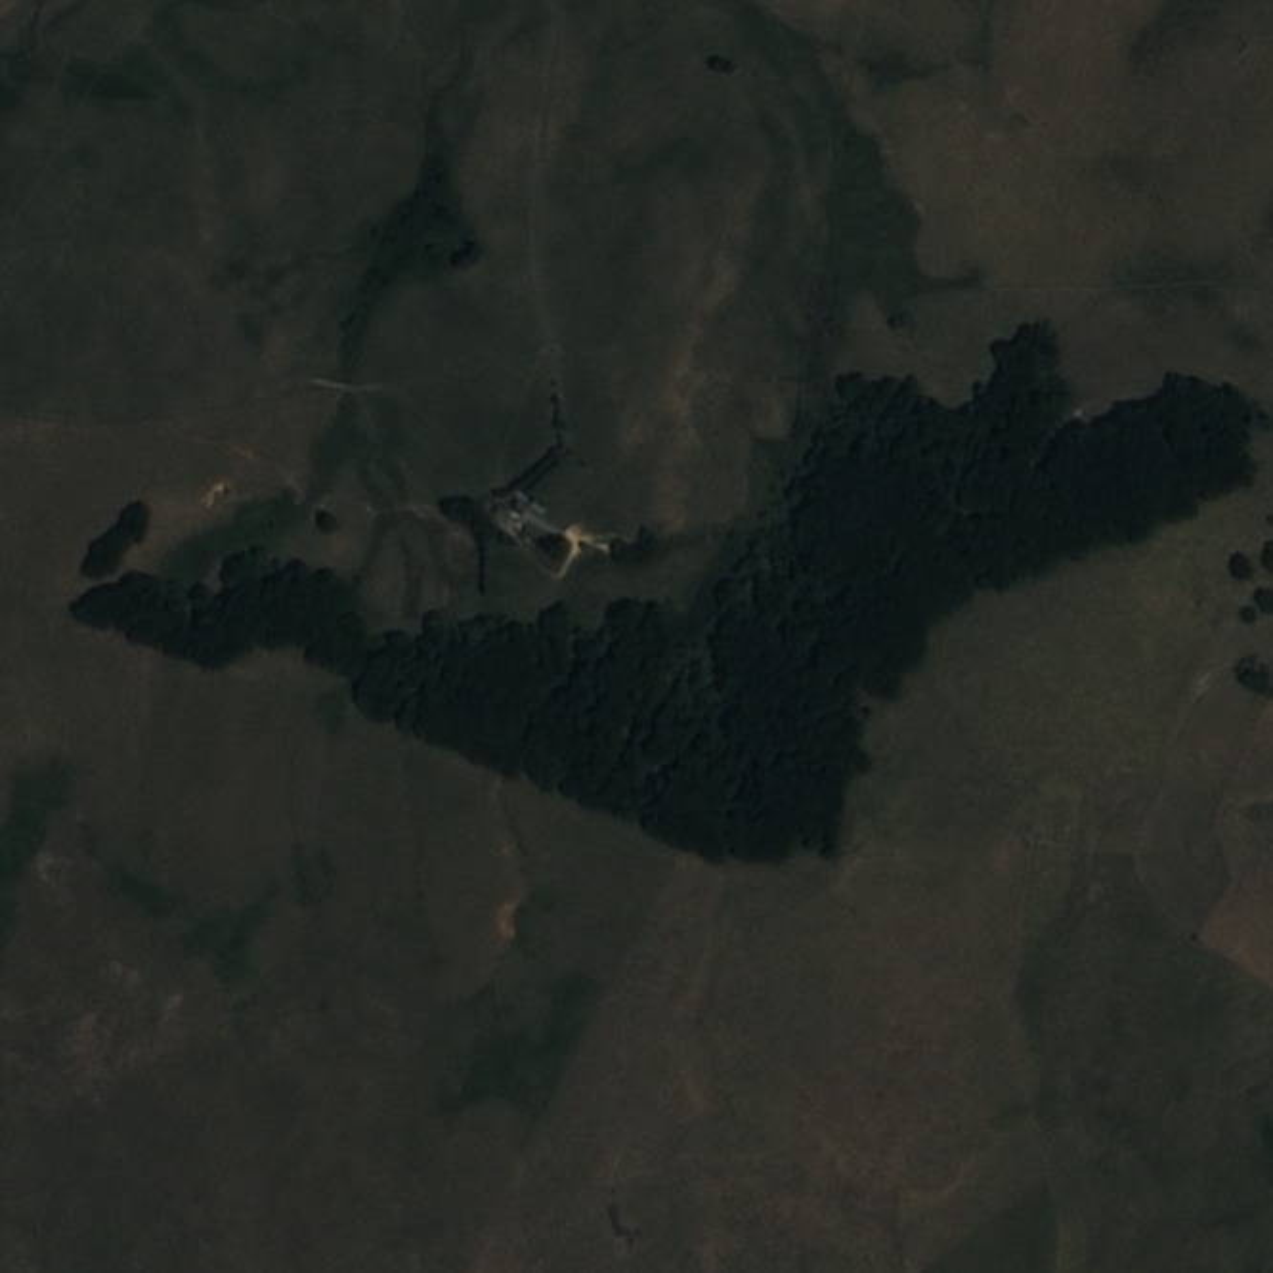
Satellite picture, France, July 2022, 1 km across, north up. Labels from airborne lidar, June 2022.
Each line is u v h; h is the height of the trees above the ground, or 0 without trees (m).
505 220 0
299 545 0
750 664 21
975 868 0
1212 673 0
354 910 0
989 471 18
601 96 0
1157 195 0
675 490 0
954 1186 0
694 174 0
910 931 0
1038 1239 0
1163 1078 0
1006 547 19
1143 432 21
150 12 0
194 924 0
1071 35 0
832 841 11
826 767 19
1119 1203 0
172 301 0
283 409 0
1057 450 20
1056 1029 0
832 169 0
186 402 0
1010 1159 0
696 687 13
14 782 0
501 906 0
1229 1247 0
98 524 0
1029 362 22
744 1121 0
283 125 0
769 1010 0
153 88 0
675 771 18
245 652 9
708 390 0
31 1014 0
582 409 0
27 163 0
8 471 0
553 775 16
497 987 0
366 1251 0
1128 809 0
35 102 0
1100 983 0
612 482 0
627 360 0
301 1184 0
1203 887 0
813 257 0
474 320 0
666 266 0
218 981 0
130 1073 0
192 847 0
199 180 0
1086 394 0
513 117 0
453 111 0
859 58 0
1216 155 0
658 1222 0
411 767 0
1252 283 0
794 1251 0
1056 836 0
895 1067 0
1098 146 0
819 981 0
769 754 23
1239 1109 0
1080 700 0
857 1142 0
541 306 0
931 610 17
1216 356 0
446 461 0
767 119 0
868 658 21
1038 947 0
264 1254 0
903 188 0
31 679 0
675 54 0
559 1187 0
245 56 0
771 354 0
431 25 0
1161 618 0
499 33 0
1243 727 0
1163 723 0
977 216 0
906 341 0
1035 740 0
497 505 8
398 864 0
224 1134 0
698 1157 0
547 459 8
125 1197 0
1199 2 0
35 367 0
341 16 0
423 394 0
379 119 0
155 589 20
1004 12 0
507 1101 0
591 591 0
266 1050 0
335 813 0
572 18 0
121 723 0
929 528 19
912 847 0
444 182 7
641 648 18
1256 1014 0
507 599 0
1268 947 0
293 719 0
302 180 0
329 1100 0
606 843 0
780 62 0
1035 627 0
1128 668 0
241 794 0
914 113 0
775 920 0
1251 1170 0
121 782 0
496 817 0
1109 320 0
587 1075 0
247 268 0
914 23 0
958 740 0
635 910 0
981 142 0
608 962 0
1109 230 0
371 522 0
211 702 0
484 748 15
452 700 16
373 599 0
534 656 21
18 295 0
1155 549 0
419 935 0
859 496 22
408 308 0
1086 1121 0
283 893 0
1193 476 18
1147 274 0
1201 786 0
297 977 0
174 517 0
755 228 0
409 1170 0
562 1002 0
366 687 15
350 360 0
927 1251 0
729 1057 0
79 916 0
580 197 0
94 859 0
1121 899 0
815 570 17
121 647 0
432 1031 0
